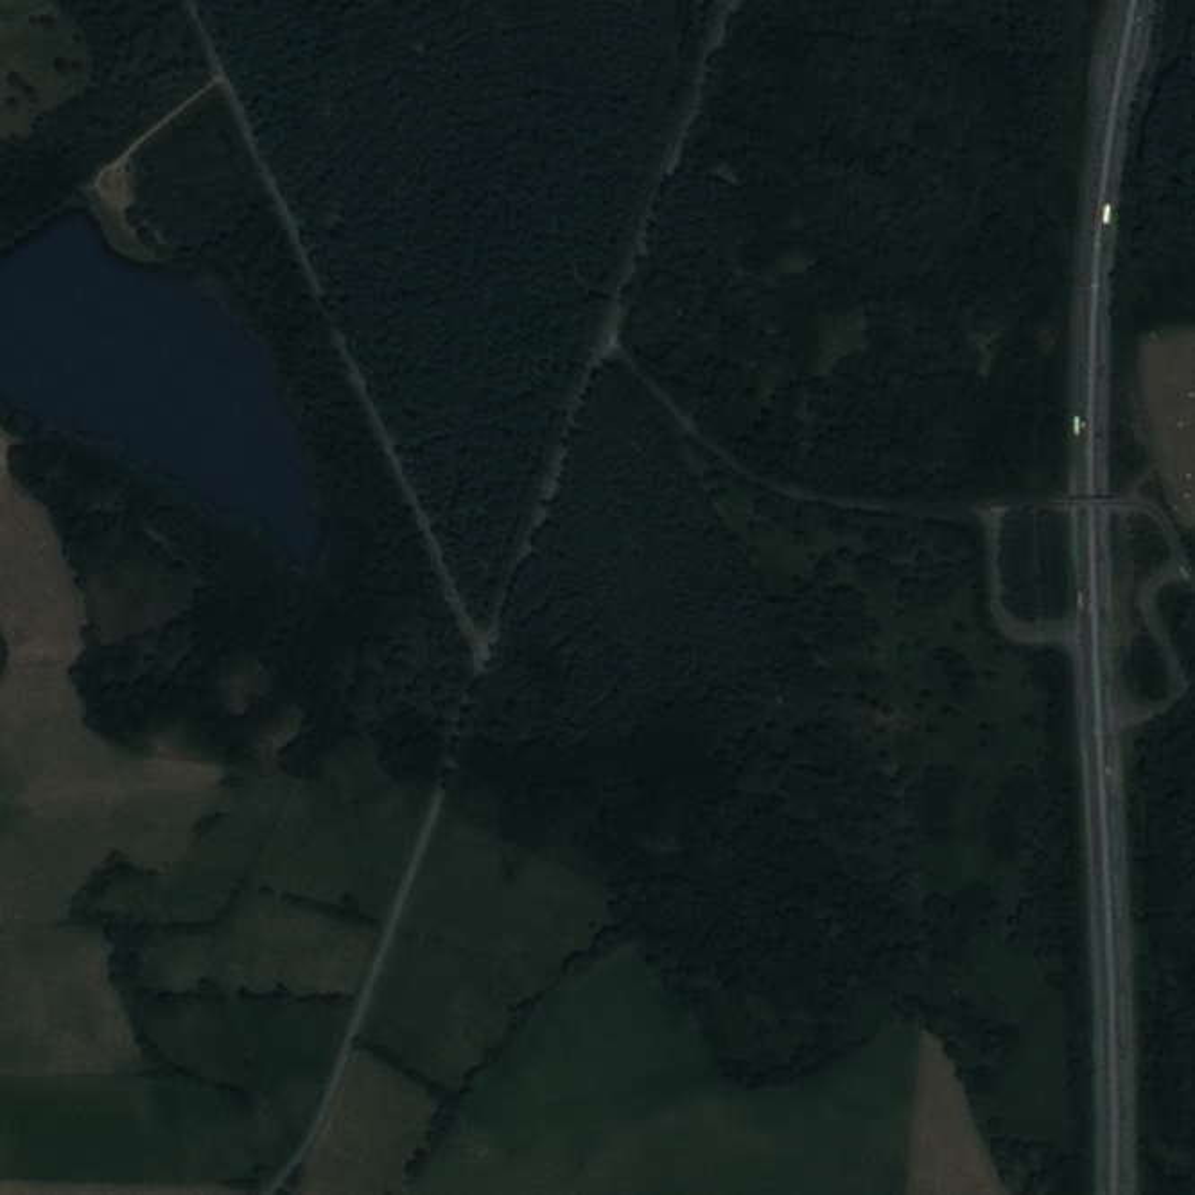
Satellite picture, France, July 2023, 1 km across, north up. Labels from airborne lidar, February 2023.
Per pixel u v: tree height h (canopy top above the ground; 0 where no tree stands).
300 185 19
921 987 0
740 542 18
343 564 9
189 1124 0
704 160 8
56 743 0
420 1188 0
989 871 0
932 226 8
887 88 14
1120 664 0
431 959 0
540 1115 0
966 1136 0
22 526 0
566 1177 0
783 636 20
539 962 0
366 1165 0
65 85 0
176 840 0
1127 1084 0
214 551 12
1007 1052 8
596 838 14
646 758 18
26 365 0
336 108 22
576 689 21
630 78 23
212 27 25
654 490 18
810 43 10
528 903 0
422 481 22
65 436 7
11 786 0
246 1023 0
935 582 7
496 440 25
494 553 22
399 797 0
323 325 18
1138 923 7
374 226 23
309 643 14
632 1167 0
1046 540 7
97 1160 0
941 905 8
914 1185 0
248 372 0
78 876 0
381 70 22
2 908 0
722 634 23
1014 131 17
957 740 0
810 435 13
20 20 0
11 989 0
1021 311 9
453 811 0
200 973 0
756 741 15
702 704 13
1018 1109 0
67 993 0
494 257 27
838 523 6
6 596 0
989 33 8
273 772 0
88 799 0
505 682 20
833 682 8
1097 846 0
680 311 6
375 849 0
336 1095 0
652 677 20
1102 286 0
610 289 25
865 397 18
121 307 0
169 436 0
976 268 9
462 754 17
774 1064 6
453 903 0
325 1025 0
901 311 8
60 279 0
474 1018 0
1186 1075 9
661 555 19
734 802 15
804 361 7
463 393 29
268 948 0
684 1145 0
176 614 0
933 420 13
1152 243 15
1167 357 0
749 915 13
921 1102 0
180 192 7
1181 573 0
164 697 13
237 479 0
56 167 18
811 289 9
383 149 23
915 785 7
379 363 26
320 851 0
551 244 28
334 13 18
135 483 8
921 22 15
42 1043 0
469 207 26
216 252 16
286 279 14
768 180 7
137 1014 11
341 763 0
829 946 12
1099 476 0
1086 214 0
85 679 14
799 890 14
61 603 0
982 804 0
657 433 19
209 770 0
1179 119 25
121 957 9
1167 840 8
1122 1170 0
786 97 11
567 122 25
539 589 18
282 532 0
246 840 0
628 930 11
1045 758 6
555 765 20
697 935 7
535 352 28
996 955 0
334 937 0
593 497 19
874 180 18
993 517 0
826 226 6
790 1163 0
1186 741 14
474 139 28
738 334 18
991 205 16
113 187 0
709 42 19
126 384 0
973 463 6
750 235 20
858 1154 0
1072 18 25
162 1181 0
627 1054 0
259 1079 0
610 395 22
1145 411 0
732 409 16
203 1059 0
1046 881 13
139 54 18
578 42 18
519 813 13
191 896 0
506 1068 0
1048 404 6
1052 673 9
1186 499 0
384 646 11
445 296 26
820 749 7
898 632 0
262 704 12
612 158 23
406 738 6
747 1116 0
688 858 7
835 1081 0
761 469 15
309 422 8
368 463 15
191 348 0
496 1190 0
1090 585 0
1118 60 0
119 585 0
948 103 6
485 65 22
